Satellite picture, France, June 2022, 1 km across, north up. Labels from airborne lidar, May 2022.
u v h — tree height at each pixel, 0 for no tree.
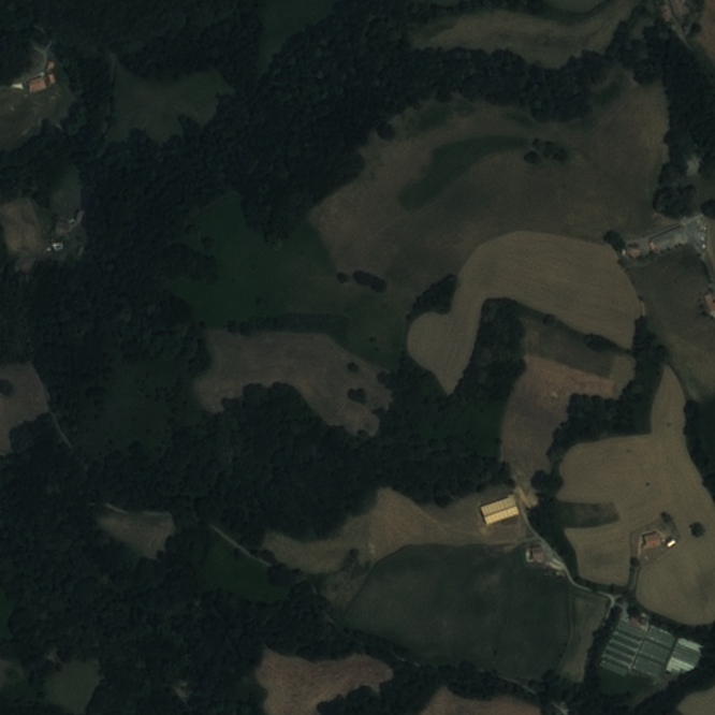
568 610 0
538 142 10
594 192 0
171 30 31
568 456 0
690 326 0
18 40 21
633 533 0
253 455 23
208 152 24
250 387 9
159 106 0
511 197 0
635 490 0
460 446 14
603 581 0
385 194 0
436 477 20
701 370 0
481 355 16
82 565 27
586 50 0
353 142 22
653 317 0
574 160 0
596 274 0
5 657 15
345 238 0
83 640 23
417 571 0
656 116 0
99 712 18
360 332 0
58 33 21
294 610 24
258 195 20
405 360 9
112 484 16
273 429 17
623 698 6
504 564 0
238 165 20
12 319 22
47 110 0
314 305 0
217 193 13
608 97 0
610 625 13
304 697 0
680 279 0
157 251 18
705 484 10
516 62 29
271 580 11
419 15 12
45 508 21
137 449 19
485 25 0
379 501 0
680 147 21
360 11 23
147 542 0
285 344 0
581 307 0
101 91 25
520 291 0
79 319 18
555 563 0
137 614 17
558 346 0
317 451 17
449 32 0
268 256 0
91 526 22
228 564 0
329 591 0
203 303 0
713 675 15
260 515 21
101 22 19
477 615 0
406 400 14
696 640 18
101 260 20
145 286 26
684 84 25
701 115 17
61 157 11
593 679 14
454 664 0
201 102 0
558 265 0
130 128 0
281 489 24
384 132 20
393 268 0
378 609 0
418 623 0
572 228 0
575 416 14
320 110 19
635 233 0
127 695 27
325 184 16
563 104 26
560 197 0
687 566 0
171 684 16
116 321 20
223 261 0
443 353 0
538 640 0
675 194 18
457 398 11
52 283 7
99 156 23
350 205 0
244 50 28
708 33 0
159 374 0
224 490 31
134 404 0
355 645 23
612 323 0
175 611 32
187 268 16
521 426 0
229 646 14
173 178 10
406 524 0
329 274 0
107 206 28
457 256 0
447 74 23
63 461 16
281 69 20
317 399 0
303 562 0
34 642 19
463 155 0
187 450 19
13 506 16
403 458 22
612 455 0
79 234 0
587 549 0
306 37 19
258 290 0
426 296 9
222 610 22
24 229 0
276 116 26
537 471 0
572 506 0
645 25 0
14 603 10
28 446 17
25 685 0
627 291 0
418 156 0
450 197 0
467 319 0
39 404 0
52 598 26
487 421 0
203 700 29
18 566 22
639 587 0
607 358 0
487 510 0
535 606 0
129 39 20
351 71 20
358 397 16
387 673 0
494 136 0
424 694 20
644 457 0
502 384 14
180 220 16
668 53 26
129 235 15
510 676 0
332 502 23
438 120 0
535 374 0
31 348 16
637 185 0
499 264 0
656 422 0
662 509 0
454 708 0
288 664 0
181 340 21
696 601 0
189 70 20
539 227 0
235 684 27
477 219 0
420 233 0
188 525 24
